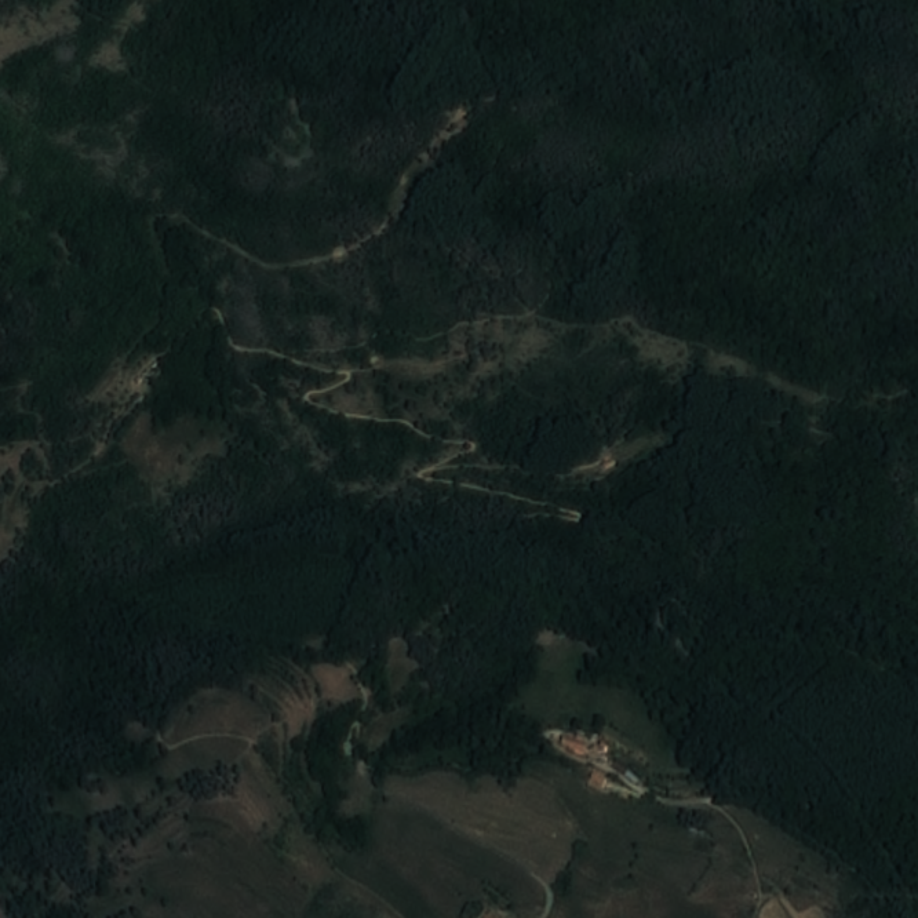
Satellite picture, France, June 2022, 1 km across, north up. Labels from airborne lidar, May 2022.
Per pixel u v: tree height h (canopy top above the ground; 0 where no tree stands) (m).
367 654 14
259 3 26
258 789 0
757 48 22
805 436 8
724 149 12
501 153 9
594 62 20
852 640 20
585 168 12
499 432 9
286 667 6
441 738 12
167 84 6
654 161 15
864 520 19
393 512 6
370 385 0
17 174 10
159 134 6
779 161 17
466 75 22
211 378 24
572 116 16
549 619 17
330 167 6
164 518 10
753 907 0
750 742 18
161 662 15
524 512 9
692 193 19
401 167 10
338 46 27
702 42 22
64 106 6
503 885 0
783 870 0
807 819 16
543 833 0
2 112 7
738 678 15
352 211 15
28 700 17
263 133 9
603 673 17
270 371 10
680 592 22
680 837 0
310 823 11
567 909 0
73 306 10
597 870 0
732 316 10
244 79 19
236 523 9
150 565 19
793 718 27
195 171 9
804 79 18
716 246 12
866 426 9
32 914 10
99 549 17
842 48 13
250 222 6
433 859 0
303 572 7
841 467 17
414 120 16
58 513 8
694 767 8
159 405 14
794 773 21
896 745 21
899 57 16
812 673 21
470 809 0
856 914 7
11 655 14
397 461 12
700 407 26
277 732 0
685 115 17
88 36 9
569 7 20
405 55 22
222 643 20
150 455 0
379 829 0
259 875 0
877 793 23
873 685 22
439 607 16
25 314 10
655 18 24
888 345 16
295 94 15
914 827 17
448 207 36
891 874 11
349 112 16
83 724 15
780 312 19
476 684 16
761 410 26
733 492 28
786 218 16
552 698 0
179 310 14
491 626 16
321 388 12
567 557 17
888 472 7
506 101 12
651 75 14
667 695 19
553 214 38
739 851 0
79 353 7
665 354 0
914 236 15
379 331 9
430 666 8
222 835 0
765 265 17
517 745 17
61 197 11
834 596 12
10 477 10
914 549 13
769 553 15
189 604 8
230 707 0
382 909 0
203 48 21
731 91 36
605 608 26
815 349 14
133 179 7
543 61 21
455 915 0
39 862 13
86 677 21
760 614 23
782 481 18
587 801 0
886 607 21
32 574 13
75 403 13
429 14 20
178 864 0
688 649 11
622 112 16
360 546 26
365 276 7
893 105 13
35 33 0
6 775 17
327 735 15
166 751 9
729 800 14
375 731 0
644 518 29
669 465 30
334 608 6
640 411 7
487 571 33
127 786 0
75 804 0
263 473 10
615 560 13
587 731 7
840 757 26
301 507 13
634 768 7
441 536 37
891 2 11
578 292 27
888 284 23
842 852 11
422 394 10
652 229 19
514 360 0
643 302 10
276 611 9
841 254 24
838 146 30
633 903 0
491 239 33
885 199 16
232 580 7
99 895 10
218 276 8
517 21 17
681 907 0
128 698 10
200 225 6
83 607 18
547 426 27
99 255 11
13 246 11
